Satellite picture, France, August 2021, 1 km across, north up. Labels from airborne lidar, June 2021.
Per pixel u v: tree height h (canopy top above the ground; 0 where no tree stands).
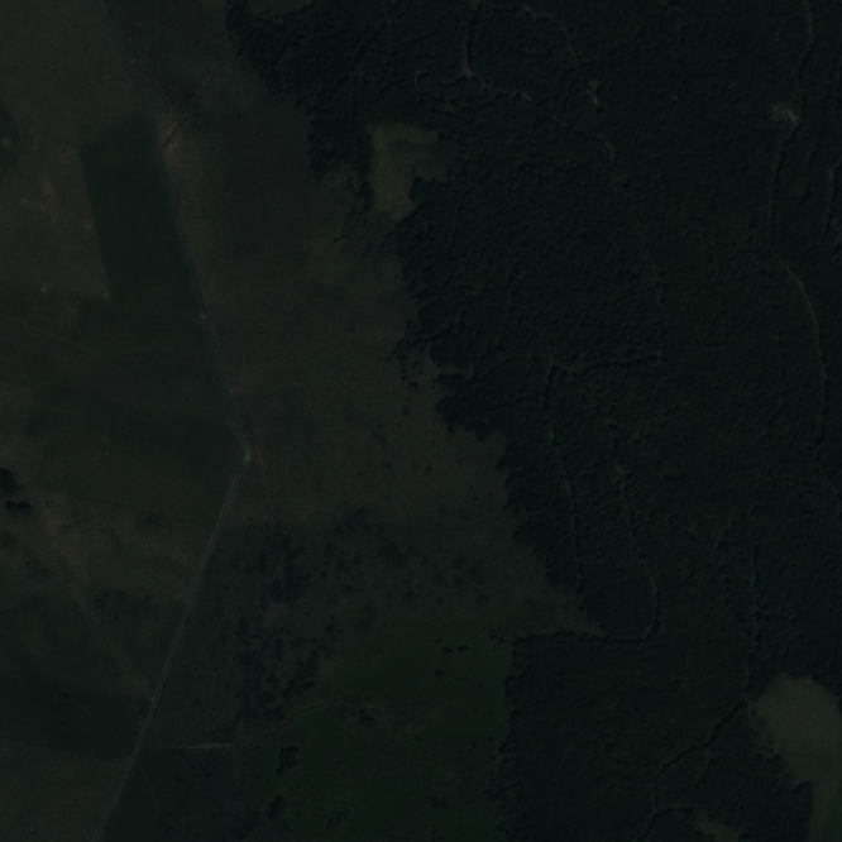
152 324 0
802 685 0
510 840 6
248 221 0
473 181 12
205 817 0
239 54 7
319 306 0
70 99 0
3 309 0
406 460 0
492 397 13
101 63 0
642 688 13
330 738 0
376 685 0
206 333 0
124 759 0
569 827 17
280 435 0
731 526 9
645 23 11
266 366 0
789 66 13
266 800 0
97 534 0
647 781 9
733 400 12
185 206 0
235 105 0
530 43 12
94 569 0
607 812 15
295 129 0
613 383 10
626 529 15
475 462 0
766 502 15
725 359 11
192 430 0
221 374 0
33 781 0
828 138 15
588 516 14
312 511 0
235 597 0
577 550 10
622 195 15
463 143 9
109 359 0
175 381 0
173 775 0
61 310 0
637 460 14
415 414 0
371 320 0
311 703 0
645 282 11
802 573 13
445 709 0
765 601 15
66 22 0
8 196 0
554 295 11
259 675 0
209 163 0
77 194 0
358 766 0
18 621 0
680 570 18
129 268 0
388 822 0
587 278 16
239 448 0
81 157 0
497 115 9
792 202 15
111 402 0
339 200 0
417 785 0
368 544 0
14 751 0
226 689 0
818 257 12
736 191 11
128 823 0
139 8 0
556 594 0
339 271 0
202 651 0
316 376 0
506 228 12
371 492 0
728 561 12
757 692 14
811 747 0
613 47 10
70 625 0
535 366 10
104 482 0
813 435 20
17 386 0
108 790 0
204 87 0
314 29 8
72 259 0
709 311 14
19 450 0
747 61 12
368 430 0
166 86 0
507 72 10
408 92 15
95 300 0
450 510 0
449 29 14
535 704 16
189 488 0
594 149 12
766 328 13
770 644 15
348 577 0
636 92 11
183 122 0
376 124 9
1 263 0
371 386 0
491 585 0
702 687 17
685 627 16
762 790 13
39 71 0
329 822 7
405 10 11
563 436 15
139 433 0
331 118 15
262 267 0
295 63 6
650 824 11
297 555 0
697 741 15
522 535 6
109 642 0
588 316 16
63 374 0
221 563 0
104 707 0
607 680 16
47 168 0
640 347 14
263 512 0
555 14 9
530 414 16
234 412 0
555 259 13
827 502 16
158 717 0
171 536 0
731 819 18
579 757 13
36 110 0
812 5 10
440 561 0
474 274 13
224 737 0
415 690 0
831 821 0
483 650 0
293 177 0
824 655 13
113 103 0
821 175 12
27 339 0
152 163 0
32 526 0
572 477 14
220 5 0
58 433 0
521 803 11
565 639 12
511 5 12
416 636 0
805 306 14
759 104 9
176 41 0
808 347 16
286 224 0
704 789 14
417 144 0
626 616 11
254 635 0
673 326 13
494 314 15
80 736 0
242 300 0
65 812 0
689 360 12
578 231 10
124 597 0
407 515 0
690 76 13
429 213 12
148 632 0
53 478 0
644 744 14
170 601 0
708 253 9
